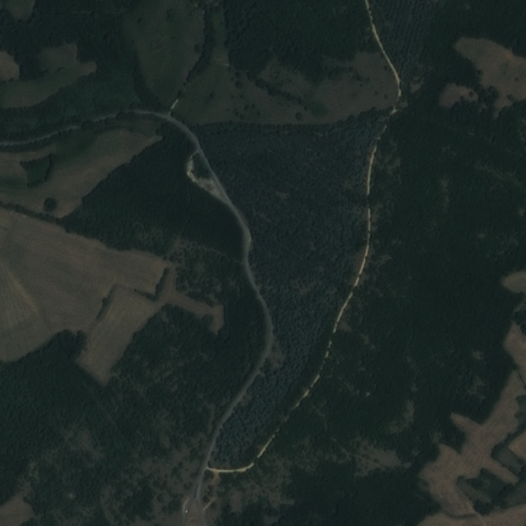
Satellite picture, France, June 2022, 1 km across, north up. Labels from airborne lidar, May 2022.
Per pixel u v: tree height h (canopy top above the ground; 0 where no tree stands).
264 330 10
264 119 0
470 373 10
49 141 17
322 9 10
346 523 17
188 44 0
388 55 8
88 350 0
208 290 7
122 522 6
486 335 13
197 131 12
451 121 6
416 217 9
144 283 0
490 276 13
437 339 10
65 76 0
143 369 9
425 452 13
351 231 9
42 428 11
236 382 8
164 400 9
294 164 12
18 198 0
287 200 9
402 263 6
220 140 13
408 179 8
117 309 0
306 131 10
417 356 8
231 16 15
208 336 10
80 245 0
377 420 8
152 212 9
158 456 7
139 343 8
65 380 8
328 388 9
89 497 9
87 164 0
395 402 8
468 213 9
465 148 8
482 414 15
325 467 8
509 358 12
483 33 12
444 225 8
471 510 0
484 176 8
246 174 15
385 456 0
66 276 0
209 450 0
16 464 10
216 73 0
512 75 0
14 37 21
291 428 8
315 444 7
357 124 8
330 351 7
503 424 0
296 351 11
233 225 16
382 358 10
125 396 6
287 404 9
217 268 6
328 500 13
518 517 0
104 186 15
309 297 11
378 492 16
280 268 10
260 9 16
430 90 9
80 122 21
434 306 13
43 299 0
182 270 6
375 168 7
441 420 10
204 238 7
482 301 7
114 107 7
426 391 8
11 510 0
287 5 10
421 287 11
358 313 6
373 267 6
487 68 0
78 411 8
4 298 0
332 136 11
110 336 0
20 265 0
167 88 0
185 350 7
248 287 8
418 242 7
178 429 7
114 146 0
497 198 10
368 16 10
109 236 9
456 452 0
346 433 9
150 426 8
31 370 10
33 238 0
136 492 7
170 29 0
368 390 8
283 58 8
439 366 10
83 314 0
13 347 0
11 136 12
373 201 8
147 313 0
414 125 9
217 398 6
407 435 7
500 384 15
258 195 12
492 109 12
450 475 0
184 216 12
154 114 12
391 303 8
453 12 8
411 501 13
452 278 11
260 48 11
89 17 19
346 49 10
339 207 13
